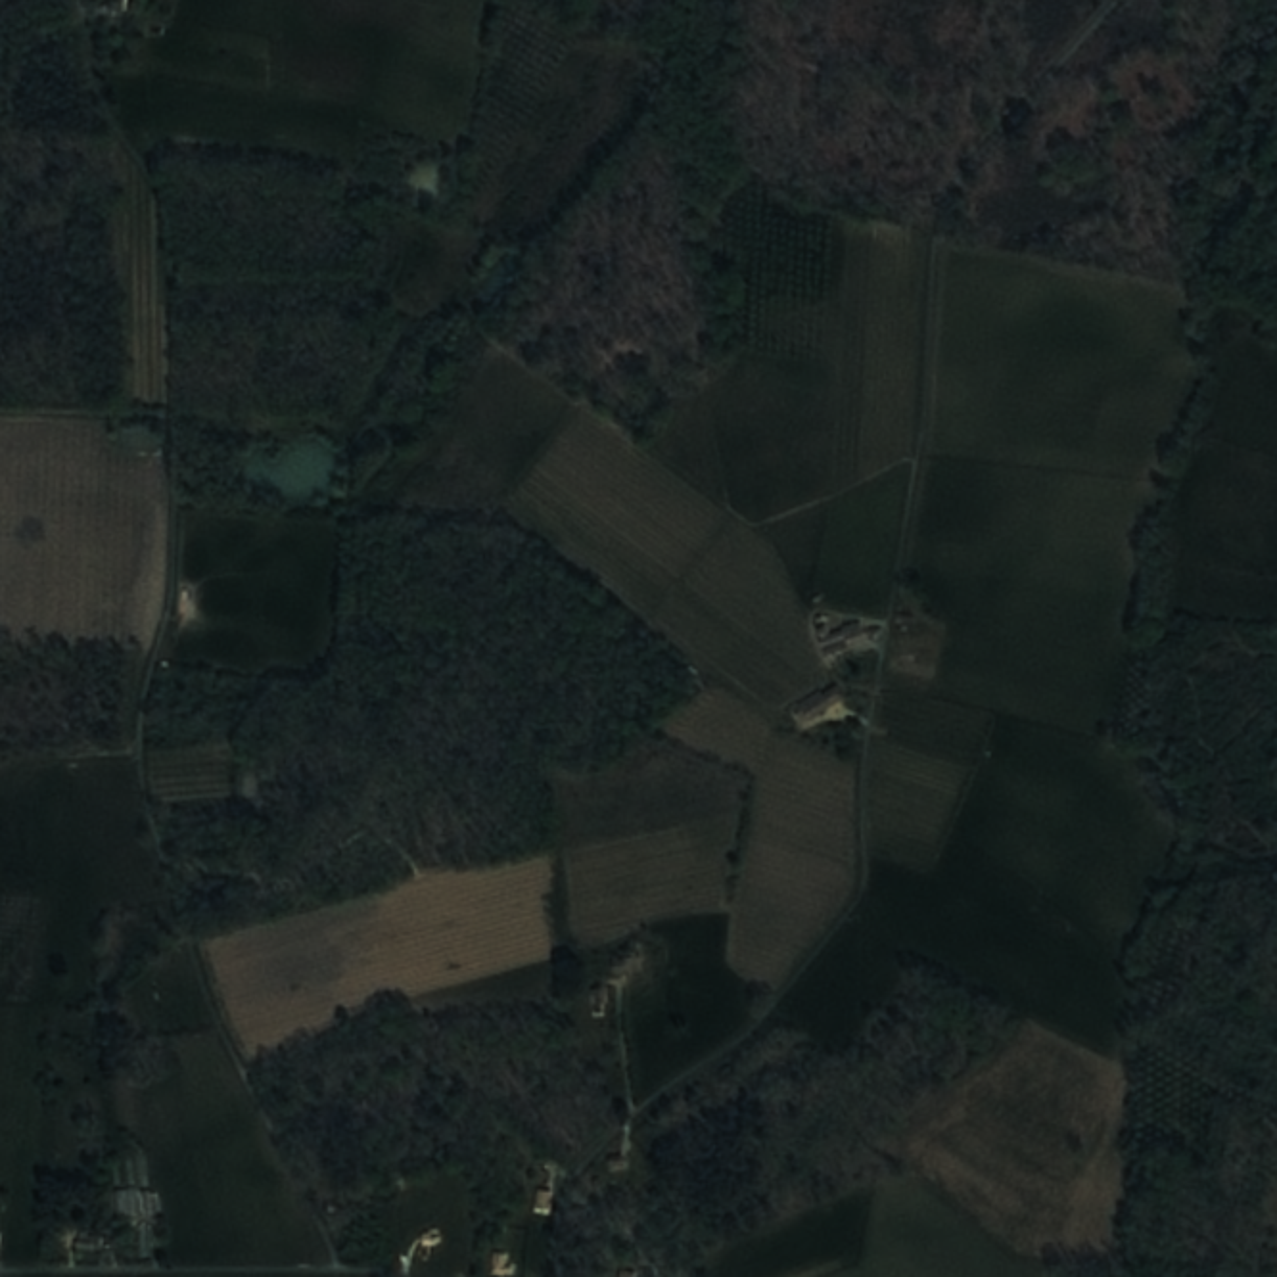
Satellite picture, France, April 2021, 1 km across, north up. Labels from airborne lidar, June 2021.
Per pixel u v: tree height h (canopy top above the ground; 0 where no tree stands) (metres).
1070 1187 0
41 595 0
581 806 0
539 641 23
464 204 23
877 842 0
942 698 0
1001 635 0
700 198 24
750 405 0
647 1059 0
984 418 0
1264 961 19
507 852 16
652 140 18
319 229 13
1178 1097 18
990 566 0
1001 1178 0
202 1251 0
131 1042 15
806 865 0
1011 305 0
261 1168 0
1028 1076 0
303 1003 0
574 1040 17
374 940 0
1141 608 16
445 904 0
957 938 0
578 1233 26
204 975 0
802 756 0
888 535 0
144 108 0
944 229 14
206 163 19
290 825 19
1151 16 12
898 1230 0
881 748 0
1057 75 12
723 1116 13
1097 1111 0
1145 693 16
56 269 18
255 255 21
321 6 0
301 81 0
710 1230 10
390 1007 18
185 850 14
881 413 0
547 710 22
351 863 18
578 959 15
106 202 18
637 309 6
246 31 0
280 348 19
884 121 15
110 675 17
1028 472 0
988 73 13
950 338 0
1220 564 0
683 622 0
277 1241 0
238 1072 0
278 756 17
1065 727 0
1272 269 19
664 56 19
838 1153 13
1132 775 0
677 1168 18
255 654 0
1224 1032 11
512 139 15
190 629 0
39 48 14
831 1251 0
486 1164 18
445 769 20
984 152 13
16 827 0
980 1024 22
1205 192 18
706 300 17
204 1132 0
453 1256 0
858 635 0
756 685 0
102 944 19
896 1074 21
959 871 0
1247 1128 13
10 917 12
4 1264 0
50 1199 14
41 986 0
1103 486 0
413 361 22
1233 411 0
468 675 21
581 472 0
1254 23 19
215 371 20
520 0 18
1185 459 20
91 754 0
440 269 0
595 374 12
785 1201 13
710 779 0
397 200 16
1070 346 0
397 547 11
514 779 20
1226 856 9
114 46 9
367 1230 6
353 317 21
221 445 29
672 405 18
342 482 12
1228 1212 14
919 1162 0
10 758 10
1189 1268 6
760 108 9
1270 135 14
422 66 0
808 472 0
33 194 18
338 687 18
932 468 0
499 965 0
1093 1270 22
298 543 0
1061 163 18
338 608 14
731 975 0
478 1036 18
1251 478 0
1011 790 0
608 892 0
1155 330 0
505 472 0
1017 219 0
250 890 16
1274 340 11
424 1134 13
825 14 19
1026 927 0
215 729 10
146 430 9
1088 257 12
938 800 0
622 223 11
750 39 18
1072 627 0
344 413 17
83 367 16
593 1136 16
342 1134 22
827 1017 0
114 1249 12
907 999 7
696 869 0
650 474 0
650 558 0
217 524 0
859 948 0
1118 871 0
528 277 19
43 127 20
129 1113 0
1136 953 16
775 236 18
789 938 0
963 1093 0
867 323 0
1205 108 7
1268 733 6
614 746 19
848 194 11
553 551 11
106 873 0
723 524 0
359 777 16
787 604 0
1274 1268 14
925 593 17
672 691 20
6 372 13
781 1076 11
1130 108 11
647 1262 16
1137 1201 19
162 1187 0
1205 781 8
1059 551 0
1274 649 7
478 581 19
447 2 0
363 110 0
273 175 21
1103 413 0
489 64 10
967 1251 0
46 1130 0
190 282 14
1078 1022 0
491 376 0
